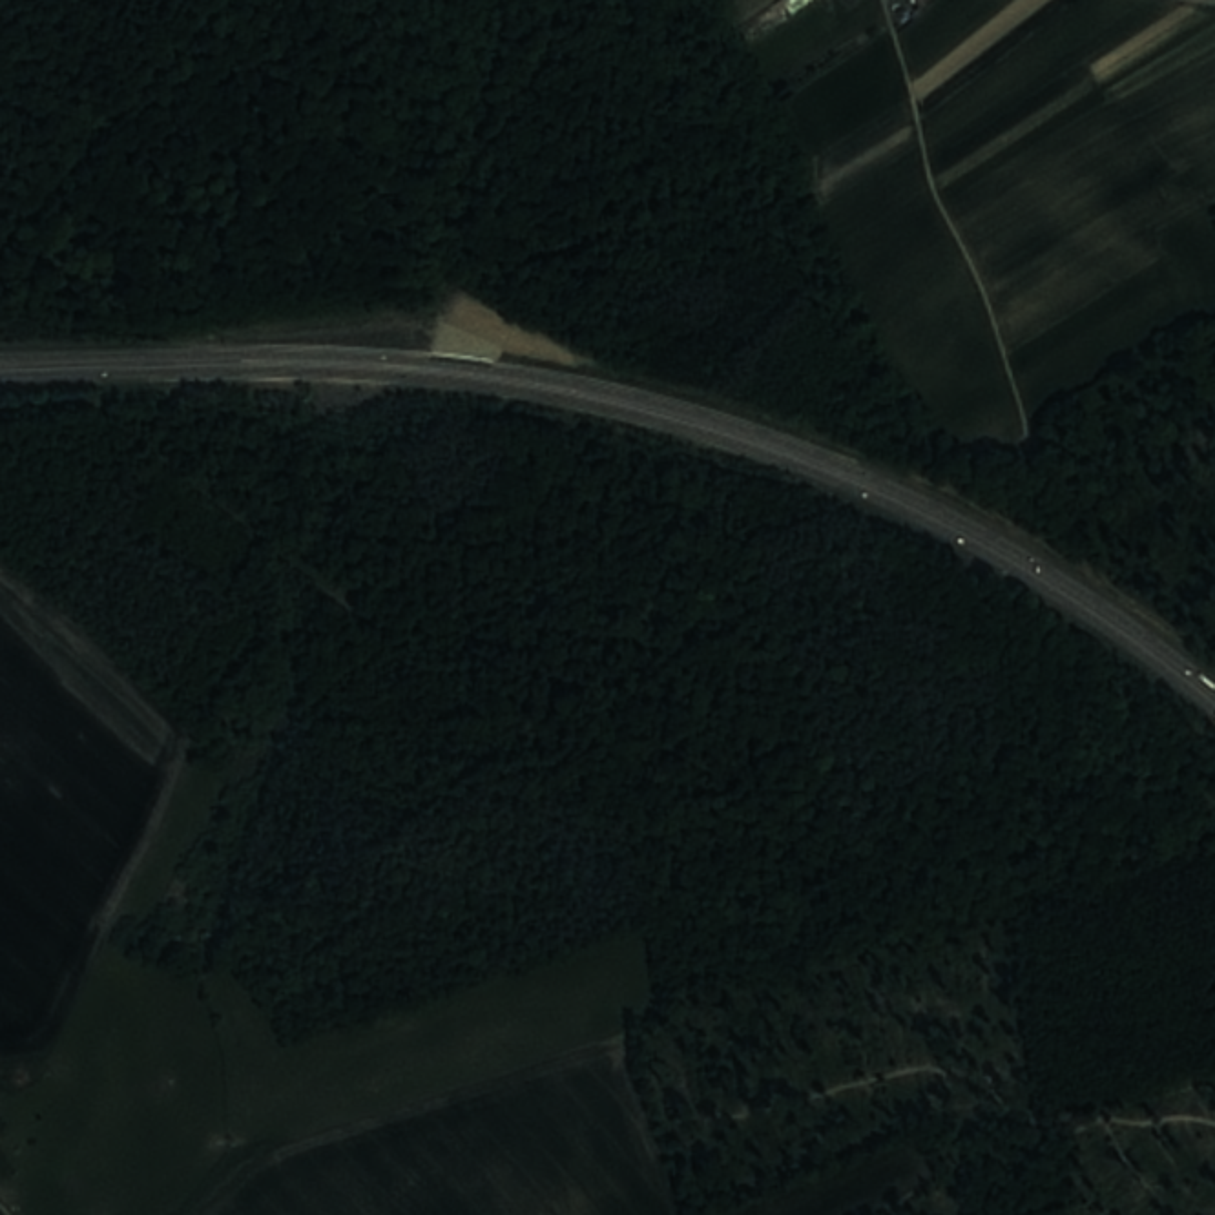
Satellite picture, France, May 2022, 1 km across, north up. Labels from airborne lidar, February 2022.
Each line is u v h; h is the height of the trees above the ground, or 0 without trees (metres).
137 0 24
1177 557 0
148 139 29
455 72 28
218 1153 0
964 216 0
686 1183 17
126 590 22
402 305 16
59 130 29
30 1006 0
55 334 16
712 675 24
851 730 22
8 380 0
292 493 26
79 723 0
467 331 0
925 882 26
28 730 0
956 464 25
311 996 23
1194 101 0
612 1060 0
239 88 31
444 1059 0
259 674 19
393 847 25
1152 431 29
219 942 19
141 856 0
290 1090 0
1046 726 24
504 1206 0
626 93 24
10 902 0
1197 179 0
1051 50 0
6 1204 0
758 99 24
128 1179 0
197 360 0
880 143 0
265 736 9
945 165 0
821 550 21
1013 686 23
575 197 28
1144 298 0
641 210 27
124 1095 0
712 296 23
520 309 19
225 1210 0
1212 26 0
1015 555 0
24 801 0
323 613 20
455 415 22
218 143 29
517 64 32
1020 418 0
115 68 27
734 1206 17
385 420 19
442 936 20
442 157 27
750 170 15
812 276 13
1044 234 0
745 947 26
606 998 0
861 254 0
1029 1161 22
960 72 0
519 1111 0
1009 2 0
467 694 24
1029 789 24
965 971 0
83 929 0
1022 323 0
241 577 23
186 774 0
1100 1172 0
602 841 22
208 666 7
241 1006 0
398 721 9
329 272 26
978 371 0
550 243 24
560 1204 0
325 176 32
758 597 25
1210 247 0
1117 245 0
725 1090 27
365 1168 0
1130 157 0
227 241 28
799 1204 0
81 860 0
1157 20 0
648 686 26
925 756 24
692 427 0
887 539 22
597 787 22
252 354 0
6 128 31
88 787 0
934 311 0
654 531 20
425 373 0
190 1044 0
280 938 19
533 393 0
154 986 0
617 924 21
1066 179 0
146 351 0
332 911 25
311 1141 0
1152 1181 0
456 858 23
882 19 0
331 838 27
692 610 25
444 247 32
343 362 0
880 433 25
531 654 28
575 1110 0
